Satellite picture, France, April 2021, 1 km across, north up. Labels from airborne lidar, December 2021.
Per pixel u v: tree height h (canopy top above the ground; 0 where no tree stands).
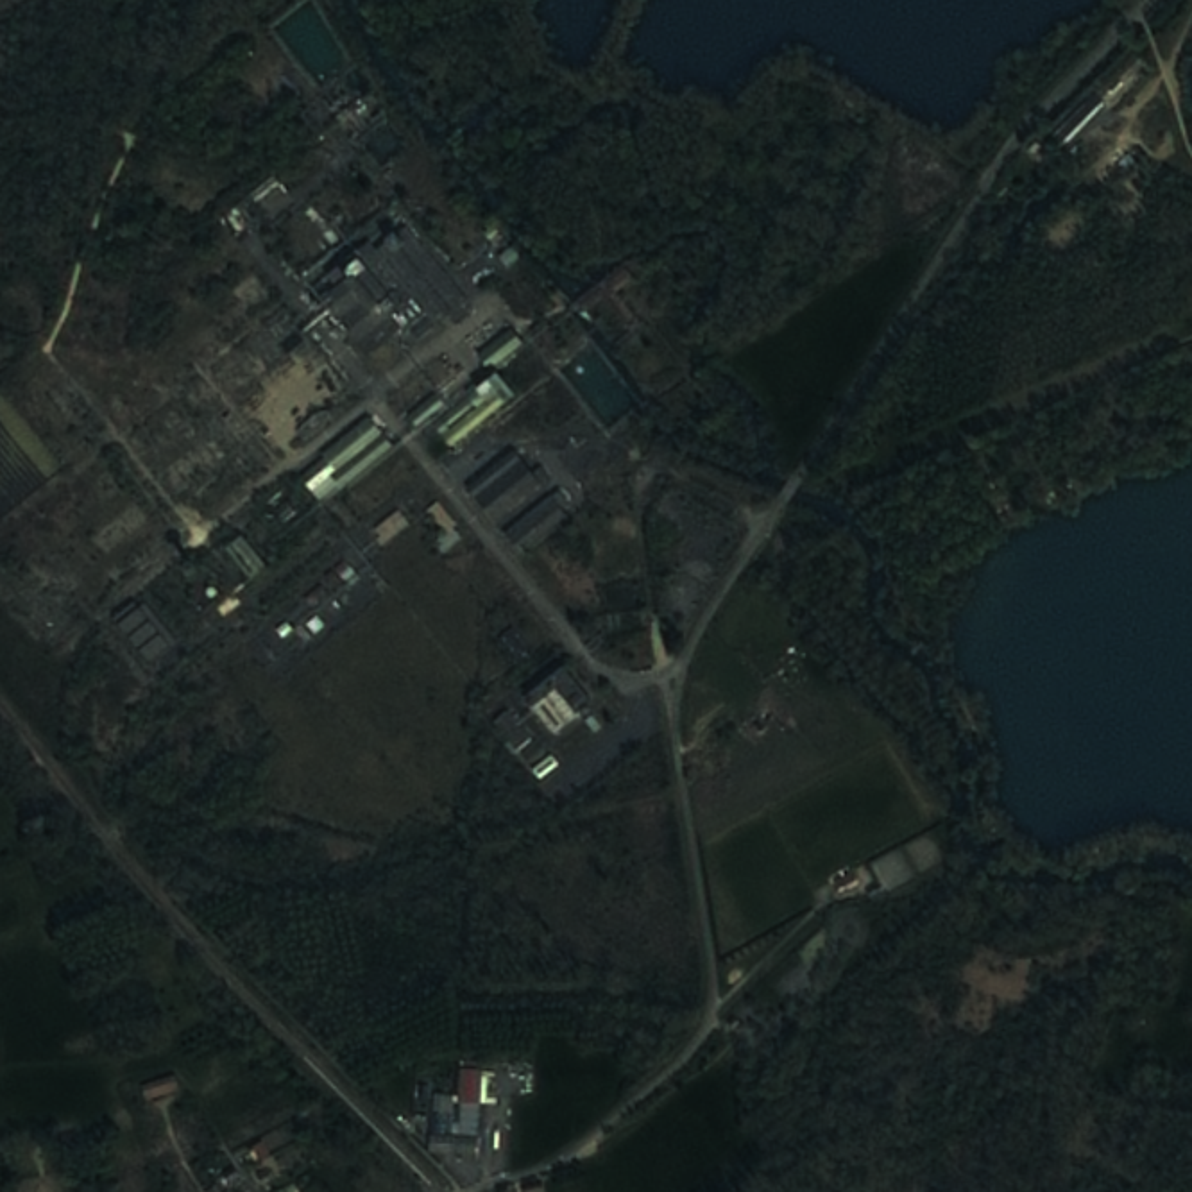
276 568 8
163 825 14
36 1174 0
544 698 0
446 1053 23
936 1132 8
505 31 32
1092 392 18
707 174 34
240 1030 17
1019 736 0
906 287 0
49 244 13
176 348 0
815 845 0
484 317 0
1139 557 0
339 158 0
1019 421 18
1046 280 24
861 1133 27
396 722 0
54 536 0
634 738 0
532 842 17
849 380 0
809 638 21
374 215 6
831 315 0
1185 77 9
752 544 0
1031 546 0
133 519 0
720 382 17
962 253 7
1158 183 10
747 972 0
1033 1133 20
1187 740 0
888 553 25
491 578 0
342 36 11
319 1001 14
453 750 0
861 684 22
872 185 33
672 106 27
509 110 19
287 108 18
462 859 27
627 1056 21
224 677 0
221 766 14
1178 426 22
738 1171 0
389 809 0
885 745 0
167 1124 0
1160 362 20
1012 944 17
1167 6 11
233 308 0
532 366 0
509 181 14
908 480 22
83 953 27
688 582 0
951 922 29
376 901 22
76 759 13
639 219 20
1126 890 14
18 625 0
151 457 0
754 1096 7
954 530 27
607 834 7
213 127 14
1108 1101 11
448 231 9
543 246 23
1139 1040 0
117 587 9
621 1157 0
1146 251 19
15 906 0
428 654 0
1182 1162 27
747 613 0
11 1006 0
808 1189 33
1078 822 0
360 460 0
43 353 0
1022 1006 7
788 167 36
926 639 7
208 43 37
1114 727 0
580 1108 0
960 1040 12
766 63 13
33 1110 0
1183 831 27
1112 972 29
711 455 21
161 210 15
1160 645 0
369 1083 22
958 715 28
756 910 0
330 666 0
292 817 8
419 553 0
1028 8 0
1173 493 0
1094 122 0
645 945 6
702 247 21
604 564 0
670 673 0
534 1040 24
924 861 0
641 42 0
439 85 21
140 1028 28
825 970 15
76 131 30
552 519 0
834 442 20
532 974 37
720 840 0
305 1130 18
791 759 0
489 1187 0
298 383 0
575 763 0
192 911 21
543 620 7
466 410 0
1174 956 12
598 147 28
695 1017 24
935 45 0
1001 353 22
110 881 16
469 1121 0
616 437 0
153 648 0
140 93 24
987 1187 20
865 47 0
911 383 23
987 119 25
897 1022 7
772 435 11
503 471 0
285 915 22
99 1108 0
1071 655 0
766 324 21
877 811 0
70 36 22
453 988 25
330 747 0
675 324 7
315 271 8
